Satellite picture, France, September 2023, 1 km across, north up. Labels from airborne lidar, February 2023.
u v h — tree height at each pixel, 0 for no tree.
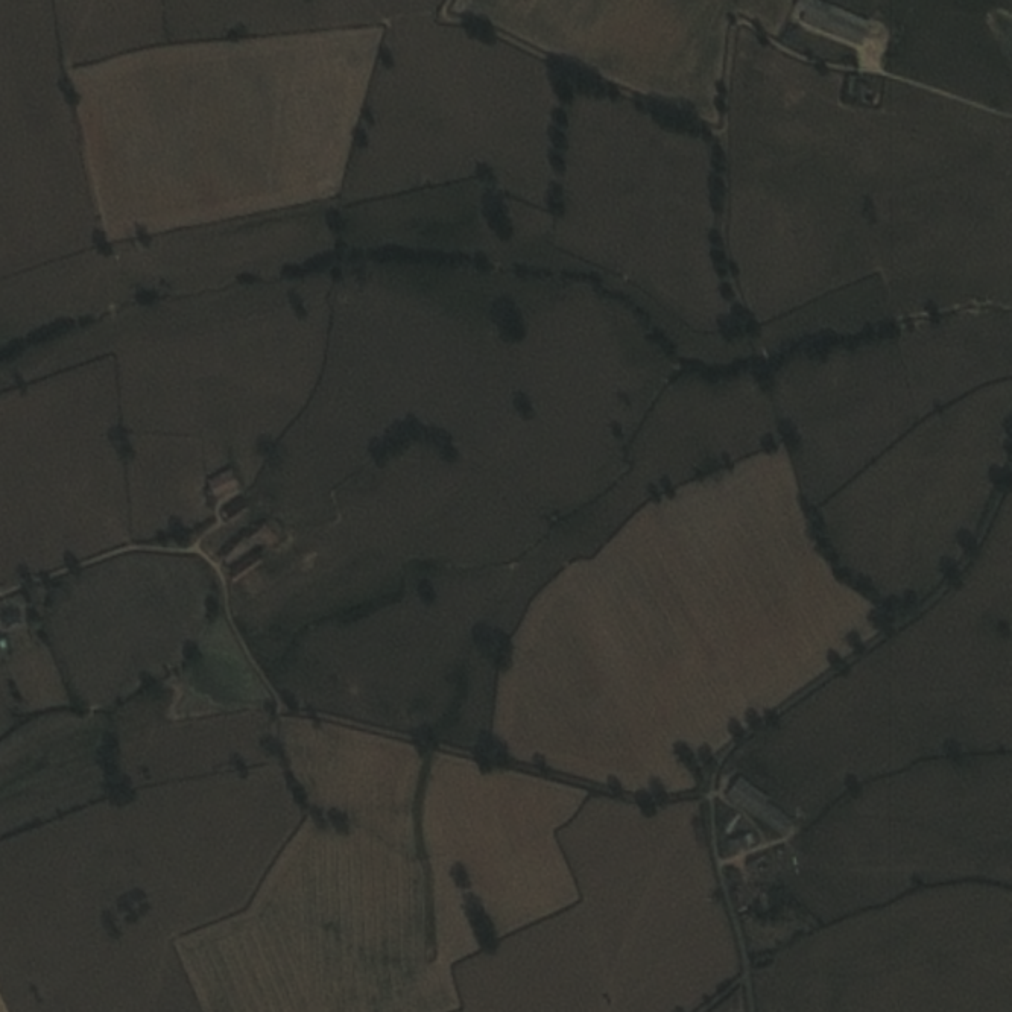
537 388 0
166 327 0
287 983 0
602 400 0
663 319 0
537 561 0
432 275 0
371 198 0
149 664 0
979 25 0
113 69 0
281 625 0
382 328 0
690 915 0
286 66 0
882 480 0
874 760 0
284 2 0
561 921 0
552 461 0
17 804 0
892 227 0
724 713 0
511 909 0
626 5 0
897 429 0
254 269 0
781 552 0
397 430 13
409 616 0
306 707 0
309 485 0
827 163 0
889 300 0
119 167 0
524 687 0
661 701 0
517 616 0
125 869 0
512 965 0
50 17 0
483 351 0
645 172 0
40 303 0
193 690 0
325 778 0
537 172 0
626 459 0
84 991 0
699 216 0
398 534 0
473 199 0
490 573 0
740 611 0
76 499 0
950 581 15
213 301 0
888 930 0
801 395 0
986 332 0
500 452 0
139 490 0
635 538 0
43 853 0
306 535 0
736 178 0
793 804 0
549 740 0
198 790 0
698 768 12
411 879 0
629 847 0
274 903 0
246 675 0
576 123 0
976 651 0
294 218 0
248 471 0
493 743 15
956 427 0
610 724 0
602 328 0
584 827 0
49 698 0
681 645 0
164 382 0
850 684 0
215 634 0
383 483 0
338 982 0
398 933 0
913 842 0
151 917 0
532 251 0
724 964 0
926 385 0
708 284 0
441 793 0
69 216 0
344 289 0
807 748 0
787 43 0
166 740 0
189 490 0
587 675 0
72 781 0
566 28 0
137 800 0
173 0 0
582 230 0
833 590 0
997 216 0
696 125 14
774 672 0
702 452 0
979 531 0
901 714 0
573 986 0
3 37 0
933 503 0
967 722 0
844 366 0
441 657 0
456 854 0
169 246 0
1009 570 0
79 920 0
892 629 15
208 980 0
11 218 0
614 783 10
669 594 0
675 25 0
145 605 0
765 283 0
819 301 0
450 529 0
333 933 0
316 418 0
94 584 0
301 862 0
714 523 0
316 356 0
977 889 0
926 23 0
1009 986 0
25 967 0
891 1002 0
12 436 0
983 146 0
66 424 0
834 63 0
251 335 0
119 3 0
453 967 0
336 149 0
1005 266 0
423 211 0
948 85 0
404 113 0
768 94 0
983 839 0
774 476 0
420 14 0
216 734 0
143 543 11
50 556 0
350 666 0
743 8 0
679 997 0
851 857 0
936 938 0
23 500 0
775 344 0
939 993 0
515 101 0
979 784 0
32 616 14
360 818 0
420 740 16
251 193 0
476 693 0
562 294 0
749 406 0
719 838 0
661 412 0
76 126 0
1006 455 12
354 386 0
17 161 0
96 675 0
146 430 0
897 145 0
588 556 0
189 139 0
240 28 0
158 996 0
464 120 0
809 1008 0
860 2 0
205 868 0
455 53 0
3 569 0
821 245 0
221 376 0
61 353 0
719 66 0
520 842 0
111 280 0
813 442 0
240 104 0
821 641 0
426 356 0
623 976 0
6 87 0
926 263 0
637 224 0
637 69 0
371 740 0
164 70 0
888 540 0
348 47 0
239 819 0
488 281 0
